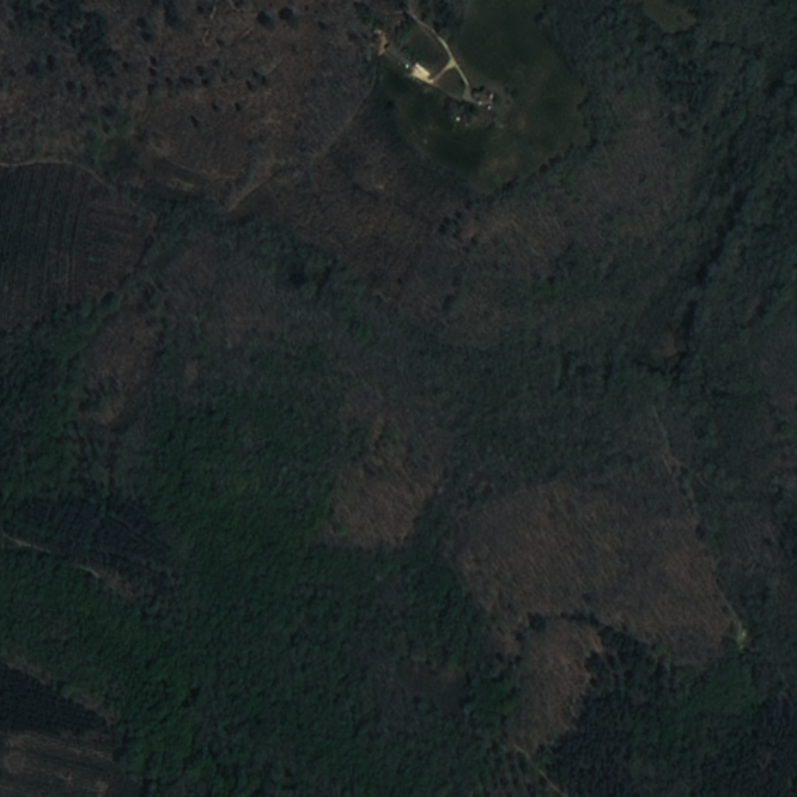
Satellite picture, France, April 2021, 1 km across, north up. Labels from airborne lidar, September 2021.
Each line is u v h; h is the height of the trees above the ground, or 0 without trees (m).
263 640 19
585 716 9
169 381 20
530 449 19
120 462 17
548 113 0
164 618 15
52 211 6
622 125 18
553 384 22
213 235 19
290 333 19
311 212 5
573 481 19
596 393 19
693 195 9
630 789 21
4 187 7
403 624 16
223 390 16
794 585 10
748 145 21
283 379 23
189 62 9
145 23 12
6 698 13
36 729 12
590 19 17
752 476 19
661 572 20
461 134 0
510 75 0
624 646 19
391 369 17
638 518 22
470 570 15
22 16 21
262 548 18
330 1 7
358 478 22
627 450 12
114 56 18
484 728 16
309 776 22
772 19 19
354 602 20
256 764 27
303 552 19
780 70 11
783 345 20
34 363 23
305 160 14
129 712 19
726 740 15
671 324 9
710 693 21
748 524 18
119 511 14
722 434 21
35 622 19
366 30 14
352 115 16
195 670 25
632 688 18
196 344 17
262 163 19
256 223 17
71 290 6
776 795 21
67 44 19
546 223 18
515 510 22
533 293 24
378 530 18
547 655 18
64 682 12
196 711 21
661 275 26
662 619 19
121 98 16
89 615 16
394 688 9
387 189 7
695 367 23
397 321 22
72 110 8
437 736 18
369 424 16
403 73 0
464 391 22
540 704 19
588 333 21
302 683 21
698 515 17
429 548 15
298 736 22
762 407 19
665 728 16
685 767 16
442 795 22
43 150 19
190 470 19
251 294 16
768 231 20
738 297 9
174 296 21
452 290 19
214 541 21
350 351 17
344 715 24
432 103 0
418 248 7
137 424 15
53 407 22
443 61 0
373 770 19
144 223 6
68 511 17
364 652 17
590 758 20
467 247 9
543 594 19
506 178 0
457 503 11
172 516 21
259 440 18
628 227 23
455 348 21
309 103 16
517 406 18
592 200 17
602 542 25
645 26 9
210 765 21
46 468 28
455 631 16
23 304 6
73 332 14
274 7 11
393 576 17
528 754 18
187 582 16
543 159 0
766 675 19
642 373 19
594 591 20
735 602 14
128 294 19
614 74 17
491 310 22
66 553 14
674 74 20
